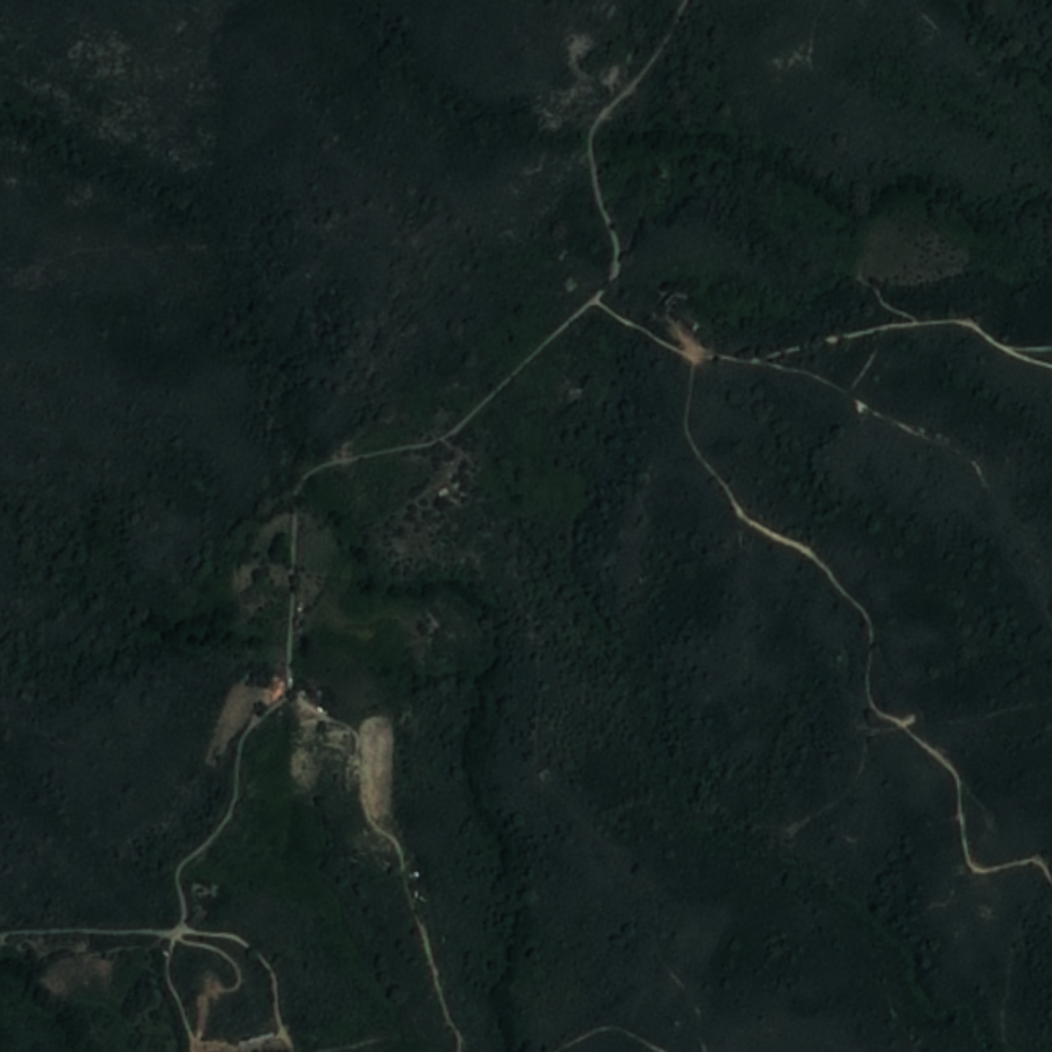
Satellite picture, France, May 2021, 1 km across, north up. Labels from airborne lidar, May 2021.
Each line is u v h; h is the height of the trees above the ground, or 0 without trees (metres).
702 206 6
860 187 15
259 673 11
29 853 7
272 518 6
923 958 15
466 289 10
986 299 9
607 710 7
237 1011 6
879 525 14
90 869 6
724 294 7
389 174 7
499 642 13
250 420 5
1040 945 8
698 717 9
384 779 0
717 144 10
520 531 6
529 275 6
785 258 9
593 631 12
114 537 6
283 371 17
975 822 0
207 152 6
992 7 11
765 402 8
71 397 7
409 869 0
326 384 10
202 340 8
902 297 6
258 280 15
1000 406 13
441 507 9
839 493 10
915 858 10
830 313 9
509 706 13
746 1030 0
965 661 13
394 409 11
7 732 8
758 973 7
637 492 6
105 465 7
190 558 11
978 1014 7
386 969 10
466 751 12
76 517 11
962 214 9
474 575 7
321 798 9
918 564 6
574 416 12
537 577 9
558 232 19
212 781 7
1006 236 8
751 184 10
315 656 17
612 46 16
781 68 0
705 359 0
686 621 7
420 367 8
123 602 6
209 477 6
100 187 6
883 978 8
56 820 6
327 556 0
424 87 13
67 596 12
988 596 6
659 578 13
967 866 0
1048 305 5
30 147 6
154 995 6
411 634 0
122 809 10
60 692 6
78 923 6
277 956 8
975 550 11
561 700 8
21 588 7
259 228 8
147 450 6
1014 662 6
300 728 0
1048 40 9
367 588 10
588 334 6
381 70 7
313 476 12
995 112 6
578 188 7
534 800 5
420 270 10
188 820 10
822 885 6
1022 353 0
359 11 10
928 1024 6
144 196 12
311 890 0
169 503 12
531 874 9
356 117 9
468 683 15
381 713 0
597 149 9
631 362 10
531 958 12
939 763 0
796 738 6
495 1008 9
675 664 9
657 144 13
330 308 11
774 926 7
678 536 12
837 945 8
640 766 8
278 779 0
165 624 16
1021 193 9
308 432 6
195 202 18
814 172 15
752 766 7
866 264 0
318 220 9
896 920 13
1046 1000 6
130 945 8
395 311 10
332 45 6
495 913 8
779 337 6
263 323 13
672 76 12
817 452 9
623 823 12
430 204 8
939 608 6
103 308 7
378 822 0
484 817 11
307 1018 9
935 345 9
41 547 10
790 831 0
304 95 7
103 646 13
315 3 6
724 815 8
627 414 12
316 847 0
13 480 8
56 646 6
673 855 10
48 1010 10
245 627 7
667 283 8
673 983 0
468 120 12
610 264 13
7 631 12
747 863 6
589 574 7
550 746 6
